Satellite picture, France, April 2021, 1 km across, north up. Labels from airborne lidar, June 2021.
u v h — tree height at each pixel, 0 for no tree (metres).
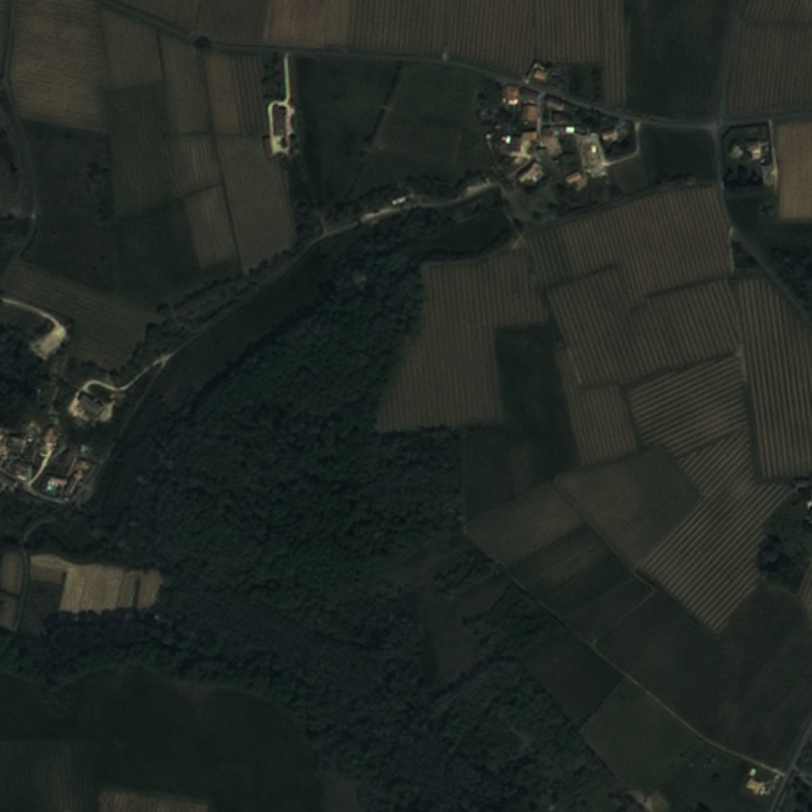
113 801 0
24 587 0
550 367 0
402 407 0
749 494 0
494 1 0
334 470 17
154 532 17
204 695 0
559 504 0
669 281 0
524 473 0
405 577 0
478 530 0
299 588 14
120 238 0
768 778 0
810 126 0
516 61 0
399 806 14
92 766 0
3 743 0
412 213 7
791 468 0
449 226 9
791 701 0
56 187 0
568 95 0
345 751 18
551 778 9
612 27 0
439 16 0
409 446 7
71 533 8
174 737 0
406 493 17
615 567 0
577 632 0
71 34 0
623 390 0
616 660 0
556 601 0
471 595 0
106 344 0
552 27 0
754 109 0
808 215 0
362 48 0
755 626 0
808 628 0
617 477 0
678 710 0
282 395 18
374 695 15
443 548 0
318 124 0
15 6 0
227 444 20
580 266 0
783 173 0
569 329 0
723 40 0
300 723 9
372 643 13
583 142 0
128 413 11
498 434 0
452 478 12
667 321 0
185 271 0
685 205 0
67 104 0
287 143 6
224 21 0
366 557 16
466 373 0
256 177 0
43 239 0
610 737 0
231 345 0
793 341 0
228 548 19
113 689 0
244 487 19
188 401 6
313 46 0
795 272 16
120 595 0
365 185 0
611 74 0
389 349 13
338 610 15
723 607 0
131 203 0
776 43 0
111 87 0
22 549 14
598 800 0
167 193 0
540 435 0
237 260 0
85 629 23
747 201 0
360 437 20
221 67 0
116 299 0
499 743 11
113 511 9
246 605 20
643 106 0
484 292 0
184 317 9
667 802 0
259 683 20
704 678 0
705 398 0
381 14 0
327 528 19
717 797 0
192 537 18
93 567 0
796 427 0
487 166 0
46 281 0
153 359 23
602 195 7
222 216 0
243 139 0
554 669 0
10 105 0
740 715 0
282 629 19
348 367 18
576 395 0
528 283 0
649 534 0
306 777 0
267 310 0
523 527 0
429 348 0
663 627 0
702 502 0
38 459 0
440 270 0
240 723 0
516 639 8
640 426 0
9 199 0
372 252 10
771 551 19
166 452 22
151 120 0
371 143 13
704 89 0
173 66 0
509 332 0
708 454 0
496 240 7
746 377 0
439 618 0
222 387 16
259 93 0
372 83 0
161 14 0
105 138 0
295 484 16
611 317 0
